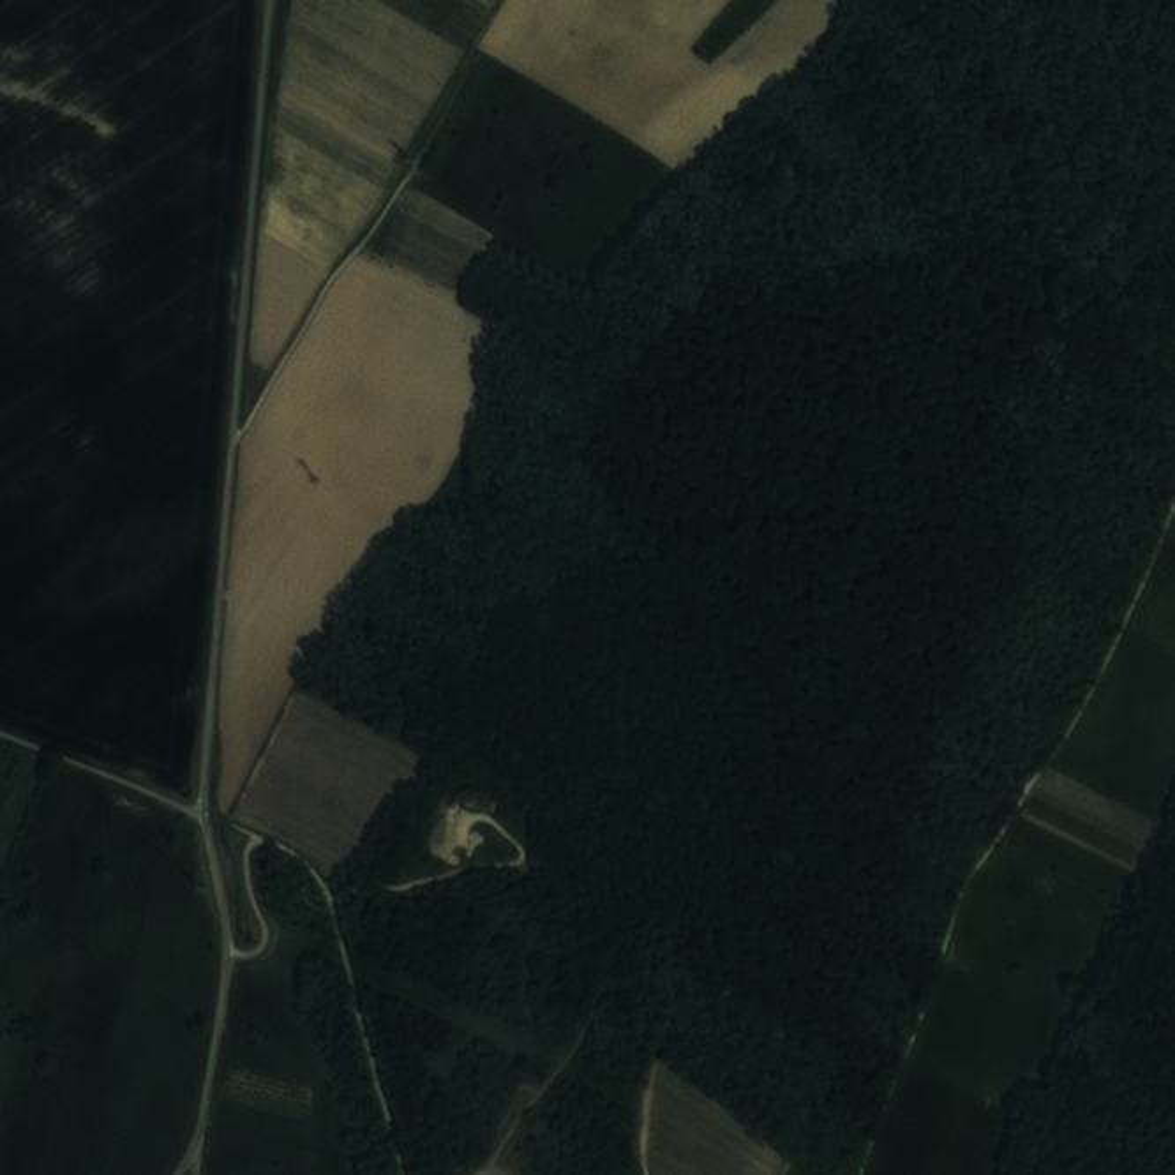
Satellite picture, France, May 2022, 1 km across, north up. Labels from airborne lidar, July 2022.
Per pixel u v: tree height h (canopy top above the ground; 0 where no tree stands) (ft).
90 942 0
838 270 34
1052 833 0
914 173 75
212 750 0
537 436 92
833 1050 69
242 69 0
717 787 70
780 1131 92
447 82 0
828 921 90
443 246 0
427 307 0
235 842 0
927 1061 0
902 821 79
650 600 69
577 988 26
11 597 0
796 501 94
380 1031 55
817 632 104
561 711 44
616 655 42
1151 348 61
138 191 0
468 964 20
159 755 0
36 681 0
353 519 0
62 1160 0
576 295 36
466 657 67
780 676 91
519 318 47
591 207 0
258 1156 0
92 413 0
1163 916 64
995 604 63
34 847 0
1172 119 96
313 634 0
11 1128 0
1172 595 0
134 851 0
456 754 62
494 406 76
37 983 0
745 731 80
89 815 0
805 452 88
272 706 0
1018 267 83
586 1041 20
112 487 0
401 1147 49
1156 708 0
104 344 0
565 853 36
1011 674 44
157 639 0
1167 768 0
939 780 86
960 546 89
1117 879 0
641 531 90
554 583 66
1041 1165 64
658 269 82
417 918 42
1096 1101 47
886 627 78
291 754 0
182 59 0
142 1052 0
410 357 0
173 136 0
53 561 0
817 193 81
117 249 0
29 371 0
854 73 79
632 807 45
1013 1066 0
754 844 85
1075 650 35
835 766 103
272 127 0
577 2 0
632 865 51
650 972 61
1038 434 79
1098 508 52
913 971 96
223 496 0
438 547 78
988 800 85
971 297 90
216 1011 0
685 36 0
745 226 62
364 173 0
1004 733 74
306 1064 0
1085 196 76
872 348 92
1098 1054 55
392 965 49
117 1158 0
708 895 82
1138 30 64
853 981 52
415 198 0
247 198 0
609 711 39
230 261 0
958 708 70
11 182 0
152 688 0
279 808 0
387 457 0
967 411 101
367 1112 48
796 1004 102
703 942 81
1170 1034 51
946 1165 0
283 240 0
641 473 96
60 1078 0
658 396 85
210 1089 0
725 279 81
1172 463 47
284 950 0
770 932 103
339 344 0
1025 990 0
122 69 0
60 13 0
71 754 0
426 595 73
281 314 0
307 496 0
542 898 36
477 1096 31
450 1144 29
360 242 0
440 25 0
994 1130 0
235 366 0
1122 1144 31
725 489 96
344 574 0
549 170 0
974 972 0
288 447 0
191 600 0
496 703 57
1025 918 0
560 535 65
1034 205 90
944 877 76
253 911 0
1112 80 82
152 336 0
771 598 99
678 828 51
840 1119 63
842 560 100
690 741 54
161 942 0
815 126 85
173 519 0
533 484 70
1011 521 55
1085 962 0
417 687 77
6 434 0
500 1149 0
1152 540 61
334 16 0
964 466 97
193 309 0
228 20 0
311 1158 0
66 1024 0
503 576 66
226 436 0
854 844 97
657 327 86
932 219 54
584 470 72
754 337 96
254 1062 0
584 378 82
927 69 90
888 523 98
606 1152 47
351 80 0
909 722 94
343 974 48
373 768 0
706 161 75
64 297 0
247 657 0
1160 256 42
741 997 97
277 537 0
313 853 0
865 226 94
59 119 0
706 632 78
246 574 0
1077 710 44
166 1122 0
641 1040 45
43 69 0
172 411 0
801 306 92
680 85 0
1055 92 34
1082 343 79
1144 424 62
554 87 0
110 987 0
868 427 95
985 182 53
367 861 20
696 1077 68
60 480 0
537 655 58
